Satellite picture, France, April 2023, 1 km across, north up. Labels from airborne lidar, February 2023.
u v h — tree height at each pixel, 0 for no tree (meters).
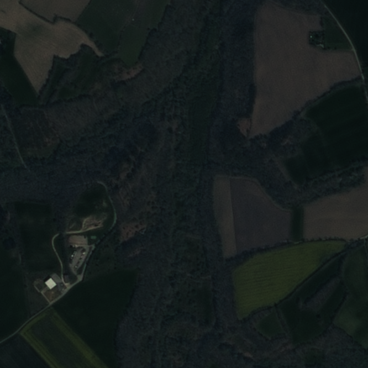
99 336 0
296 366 15
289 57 0
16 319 0
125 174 0
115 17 0
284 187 15
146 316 20
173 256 14
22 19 0
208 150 21
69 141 24
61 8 0
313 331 0
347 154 0
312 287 0
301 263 0
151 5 0
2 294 0
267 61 0
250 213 0
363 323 0
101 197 0
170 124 21
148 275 19
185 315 11
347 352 14
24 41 0
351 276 0
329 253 0
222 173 17
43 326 0
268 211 0
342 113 0
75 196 19
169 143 22
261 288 0
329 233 0
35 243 0
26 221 0
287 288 0
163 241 17
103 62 9
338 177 12
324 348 16
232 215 0
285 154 18
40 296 7
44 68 0
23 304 0
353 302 0
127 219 14
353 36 0
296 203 20
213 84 6
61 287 0
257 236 0
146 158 14
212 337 18
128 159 21
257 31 0
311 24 0
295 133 18
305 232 0
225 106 20
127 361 25
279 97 0
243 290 0
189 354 10
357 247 11
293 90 0
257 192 0
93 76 0
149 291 22
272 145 20
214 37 13
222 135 17
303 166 0
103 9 0
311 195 20
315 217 0
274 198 27
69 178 16
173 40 19
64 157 21
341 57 0
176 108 15
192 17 21
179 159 15
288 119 0
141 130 22
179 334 6
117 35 0
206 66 7
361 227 0
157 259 18
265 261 0
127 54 0
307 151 0
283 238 0
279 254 0
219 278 18
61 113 18
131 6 0
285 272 0
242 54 14
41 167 17
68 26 0
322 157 0
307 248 0
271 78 0
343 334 17
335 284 11
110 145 16
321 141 0
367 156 0
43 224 0
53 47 0
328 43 0
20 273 0
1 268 0
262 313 14
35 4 0
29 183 21
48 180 18
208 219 21
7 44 11
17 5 0
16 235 9
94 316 0
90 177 19
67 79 15
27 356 0
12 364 0
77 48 0
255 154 21
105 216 0
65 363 0
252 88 14
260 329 0
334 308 0
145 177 13
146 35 0
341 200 0
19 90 0
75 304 0
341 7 0
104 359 0
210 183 20
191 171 12
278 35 0
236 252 0
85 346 0
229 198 0
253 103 9
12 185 19
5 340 0
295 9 7
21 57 0
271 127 0
